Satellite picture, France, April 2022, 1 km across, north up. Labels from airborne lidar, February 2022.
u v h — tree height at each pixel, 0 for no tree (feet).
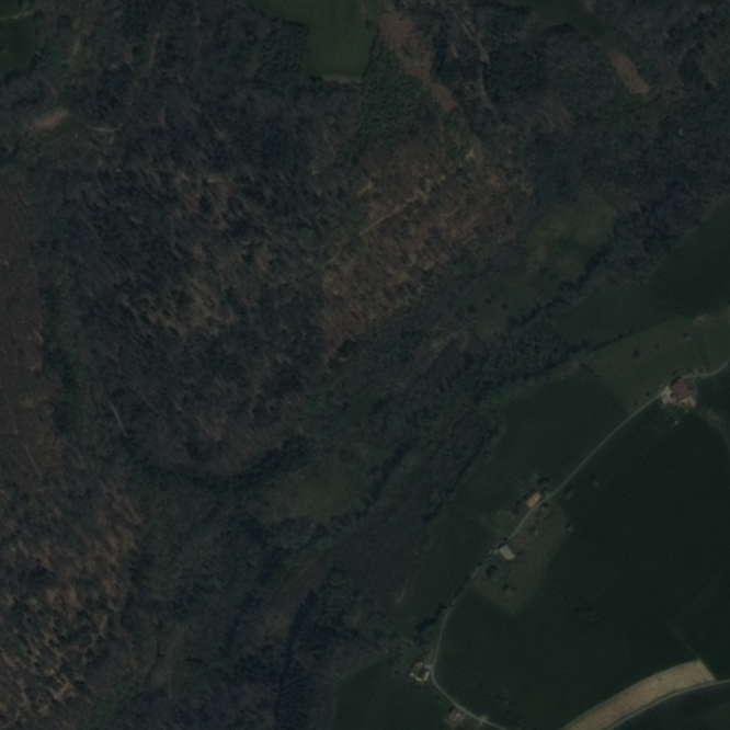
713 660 0
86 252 105
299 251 96
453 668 0
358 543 0
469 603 0
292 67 60
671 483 0
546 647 0
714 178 24
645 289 22
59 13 21
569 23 0
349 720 0
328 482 0
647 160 32
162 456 108
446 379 39
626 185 31
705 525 0
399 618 0
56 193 52
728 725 0
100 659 37
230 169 95
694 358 0
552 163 43
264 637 96
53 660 81
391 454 0
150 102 32
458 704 0
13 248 43
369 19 0
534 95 72
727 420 0
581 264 0
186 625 96
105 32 74
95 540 92
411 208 36
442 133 40
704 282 0
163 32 32
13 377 45
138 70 41
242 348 68
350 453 0
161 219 94
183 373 64
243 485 80
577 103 92
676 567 0
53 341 40
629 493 0
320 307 91
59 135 0
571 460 0
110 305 89
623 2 96
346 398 43
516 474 0
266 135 90
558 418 0
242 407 78
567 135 77
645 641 0
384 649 71
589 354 51
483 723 0
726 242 0
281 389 93
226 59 103
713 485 0
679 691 0
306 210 87
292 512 0
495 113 22
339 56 0
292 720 107
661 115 28
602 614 0
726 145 39
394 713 0
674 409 29
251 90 99
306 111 103
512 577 0
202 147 92
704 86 94
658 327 0
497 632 0
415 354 46
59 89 106
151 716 80
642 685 0
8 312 31
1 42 0
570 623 0
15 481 49
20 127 105
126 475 93
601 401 0
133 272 107
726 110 47
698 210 72
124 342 95
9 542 102
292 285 84
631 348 0
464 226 52
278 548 77
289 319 85
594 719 0
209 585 62
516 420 0
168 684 0
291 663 44
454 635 0
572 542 0
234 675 20
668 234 63
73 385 85
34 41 0
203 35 52
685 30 94
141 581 36
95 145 29
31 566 93
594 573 0
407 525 0
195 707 0
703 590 0
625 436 0
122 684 94
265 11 0
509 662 0
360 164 45
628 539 0
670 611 0
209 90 96
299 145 87
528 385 76
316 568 0
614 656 0
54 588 95
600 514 0
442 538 0
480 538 0
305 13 0
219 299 82
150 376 73
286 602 0
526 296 0
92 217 92
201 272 89
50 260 27
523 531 0
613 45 0
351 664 90
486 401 57
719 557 0
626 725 0
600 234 0
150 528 53
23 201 40
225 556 22
